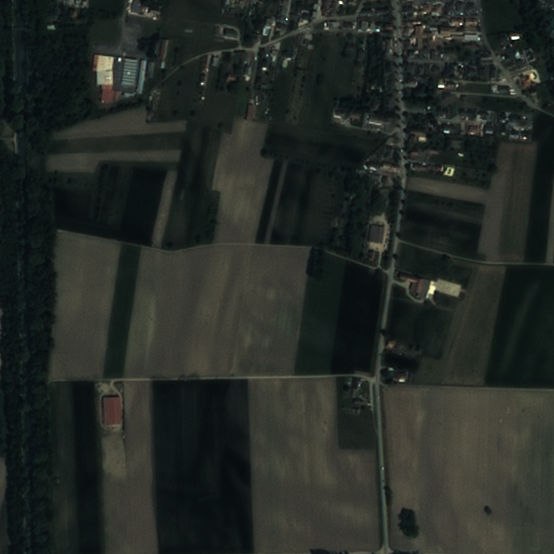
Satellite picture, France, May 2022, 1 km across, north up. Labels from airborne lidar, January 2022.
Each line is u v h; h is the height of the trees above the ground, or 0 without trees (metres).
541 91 0
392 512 0
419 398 0
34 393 23
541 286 0
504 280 0
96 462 0
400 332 0
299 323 0
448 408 0
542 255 0
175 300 0
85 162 0
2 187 23
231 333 0
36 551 21
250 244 0
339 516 0
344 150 0
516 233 0
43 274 21
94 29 0
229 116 0
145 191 0
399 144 0
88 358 0
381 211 0
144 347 0
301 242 0
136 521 0
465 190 0
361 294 0
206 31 0
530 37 11
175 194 0
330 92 0
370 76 8
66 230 0
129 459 0
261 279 0
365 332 0
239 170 0
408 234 0
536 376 0
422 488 0
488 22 0
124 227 0
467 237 0
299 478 0
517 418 0
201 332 0
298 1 7
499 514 0
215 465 0
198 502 0
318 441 0
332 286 0
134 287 0
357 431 0
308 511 0
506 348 0
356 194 12
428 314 0
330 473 0
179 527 0
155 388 0
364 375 0
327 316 0
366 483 0
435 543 0
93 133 0
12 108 26
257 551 0
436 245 0
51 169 0
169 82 0
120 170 0
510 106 0
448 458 0
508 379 0
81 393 0
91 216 0
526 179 0
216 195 0
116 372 0
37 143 22
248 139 0
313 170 0
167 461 0
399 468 0
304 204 0
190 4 0
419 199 0
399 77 0
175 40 0
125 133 0
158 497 0
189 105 0
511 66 0
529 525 0
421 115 7
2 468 0
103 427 0
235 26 0
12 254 18
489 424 0
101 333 0
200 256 0
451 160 0
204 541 0
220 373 0
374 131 0
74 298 0
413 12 0
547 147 0
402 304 0
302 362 0
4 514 0
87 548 0
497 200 0
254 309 0
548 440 0
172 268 0
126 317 0
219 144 0
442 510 0
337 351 0
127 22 0
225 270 0
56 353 0
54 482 0
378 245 0
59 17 6
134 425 0
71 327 0
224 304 0
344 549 0
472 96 0
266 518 0
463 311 0
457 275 0
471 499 0
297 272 0
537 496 0
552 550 0
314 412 0
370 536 0
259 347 0
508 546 0
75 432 0
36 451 28
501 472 0
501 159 0
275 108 0
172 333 0
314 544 0
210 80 0
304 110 0
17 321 19
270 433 0
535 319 0
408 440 0
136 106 7
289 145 0
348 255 10
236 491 0
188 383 0
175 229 0
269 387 0
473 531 0
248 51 0
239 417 0
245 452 0
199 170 0
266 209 0
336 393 0
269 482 0
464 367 0
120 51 0
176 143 0
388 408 0
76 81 17
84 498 0
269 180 0
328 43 0
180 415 0
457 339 0
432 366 0
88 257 0
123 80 0
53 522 0
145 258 0
